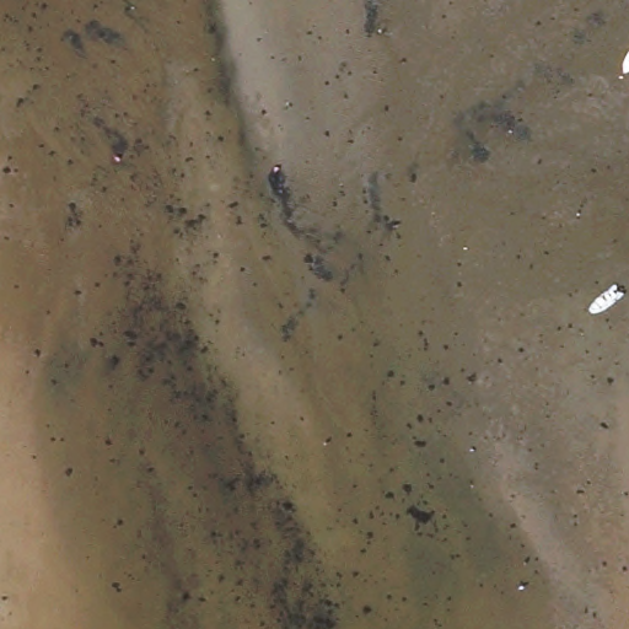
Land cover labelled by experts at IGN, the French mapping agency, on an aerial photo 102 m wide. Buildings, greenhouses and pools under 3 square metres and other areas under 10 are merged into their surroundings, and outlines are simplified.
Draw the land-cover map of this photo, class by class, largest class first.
<instances>
[{"label":"water","instance_id":"1","mask_svg":"<svg viewBox=\"0 0 629 629\"><path fill-rule=\"evenodd\" d=\"M238 71L226 42L224 10L219 0H0V346L15 351L22 359V371L12 378L10 391L20 393L29 403V410L34 415L32 459L42 467V482L49 486L61 474L71 477L76 486H81V504L93 509L91 521L98 523L103 543L101 563L106 568V580L115 592L111 597V607L123 619L120 629H553V607L548 604L550 577L545 572L543 560L533 555L531 543H526L521 526L516 523L514 509L506 516H494L484 506V496L479 491H472L474 477L467 462V447L474 437V430H486V423L491 420L489 413H484L482 408L477 388V319L467 315L464 305L455 297V287L445 278H432L423 268H413L410 241L418 231L410 226V221L398 224L388 214H383L376 172H371L369 177V187L361 184V172L351 177L346 184L339 182V177L319 174L317 170H300L297 165H292L283 174V165L273 160V155L251 143V128L236 88Z\"/></svg>","mask_w":629,"mask_h":629},{"label":"bare soil","instance_id":"2","mask_svg":"<svg viewBox=\"0 0 629 629\"><path fill-rule=\"evenodd\" d=\"M224 10L226 42L238 71L236 88L251 128V143L273 155V160L283 165V174L292 165H297L300 170H317L319 174L339 177V182L346 184L351 177L361 172V184L369 187V177L371 172H376L383 214H388L398 224L410 221V226L418 231L410 241L413 268H423L432 278H445L455 287V297L464 305L467 315L477 319V388L482 408L484 413H489L491 420L486 423V430H474V437L467 447V462L474 477L472 491H479L484 496V506L494 516H506L514 509L516 523L521 526L526 543H531L533 555L543 560L545 572L550 577L548 604L553 607V629H629V0H219ZM22 371V359L15 351L0 346V629H120L123 619L111 607V597L115 592L106 580V568L101 563L103 543L98 523L91 521L93 509L81 504V486H76L71 477L61 474L49 486L42 482V467L32 459L34 415L29 410V403L20 393L10 391L12 378Z\"/></svg>","mask_w":629,"mask_h":629}]
</instances>
